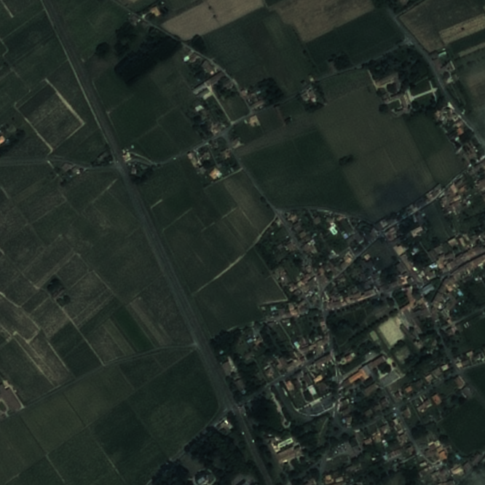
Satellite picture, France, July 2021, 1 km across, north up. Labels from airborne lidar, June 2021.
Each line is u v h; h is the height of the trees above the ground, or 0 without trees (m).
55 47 0
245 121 0
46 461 0
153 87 0
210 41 0
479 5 0
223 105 0
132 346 0
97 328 0
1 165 0
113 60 0
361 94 0
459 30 0
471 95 0
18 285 0
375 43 0
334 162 0
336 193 0
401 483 0
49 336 0
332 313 11
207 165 14
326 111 0
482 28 0
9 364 0
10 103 0
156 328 0
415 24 0
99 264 0
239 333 12
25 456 0
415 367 15
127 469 0
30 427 0
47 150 0
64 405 0
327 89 0
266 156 0
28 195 0
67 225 0
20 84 0
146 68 16
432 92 0
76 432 0
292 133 0
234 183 0
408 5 8
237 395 12
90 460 0
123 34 8
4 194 0
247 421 0
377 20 0
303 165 0
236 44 0
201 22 0
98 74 0
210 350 0
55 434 0
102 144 0
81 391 0
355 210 0
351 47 0
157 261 0
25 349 0
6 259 0
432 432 0
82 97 0
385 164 0
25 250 0
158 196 0
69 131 0
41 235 0
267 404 21
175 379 0
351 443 11
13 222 0
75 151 0
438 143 0
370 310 0
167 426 0
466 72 0
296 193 0
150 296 0
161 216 0
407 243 7
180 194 0
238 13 0
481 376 0
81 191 0
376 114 0
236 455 30
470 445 0
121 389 0
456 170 0
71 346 0
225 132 0
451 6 0
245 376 17
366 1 0
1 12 0
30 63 0
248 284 0
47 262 0
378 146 0
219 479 6
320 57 0
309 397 11
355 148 0
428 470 0
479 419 0
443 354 11
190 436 0
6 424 0
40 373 0
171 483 22
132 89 0
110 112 0
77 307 0
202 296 0
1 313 0
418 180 0
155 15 7
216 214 0
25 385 0
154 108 0
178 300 0
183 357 0
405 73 10
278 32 0
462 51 0
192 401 0
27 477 0
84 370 0
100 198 0
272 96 8
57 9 0
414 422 0
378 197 0
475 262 0
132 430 0
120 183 0
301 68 0
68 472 0
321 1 0
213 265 0
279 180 0
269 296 0
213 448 14
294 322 13
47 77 0
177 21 0
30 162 0
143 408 0
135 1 0
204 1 0
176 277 0
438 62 0
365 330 8
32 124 0
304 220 0
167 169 0
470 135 13
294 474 16
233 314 0
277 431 18
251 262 0
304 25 0
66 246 0
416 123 0
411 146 0
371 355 0
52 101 0
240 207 0
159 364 0
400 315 0
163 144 0
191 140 0
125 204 0
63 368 0
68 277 0
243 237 0
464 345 0
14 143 7
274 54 0
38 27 0
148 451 0
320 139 0
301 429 12
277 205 0
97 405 0
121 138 0
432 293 12
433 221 0
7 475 0
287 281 0
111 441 0
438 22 0
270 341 14
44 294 0
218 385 0
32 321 0
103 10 0
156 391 0
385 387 0
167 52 15
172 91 0
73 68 0
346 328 19
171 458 0
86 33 0
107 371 0
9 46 0
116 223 0
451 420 0
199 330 0
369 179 0
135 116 0
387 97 0
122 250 0
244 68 0
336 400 8
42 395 0
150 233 0
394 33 0
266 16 0
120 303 0
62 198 0
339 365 6
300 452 0
